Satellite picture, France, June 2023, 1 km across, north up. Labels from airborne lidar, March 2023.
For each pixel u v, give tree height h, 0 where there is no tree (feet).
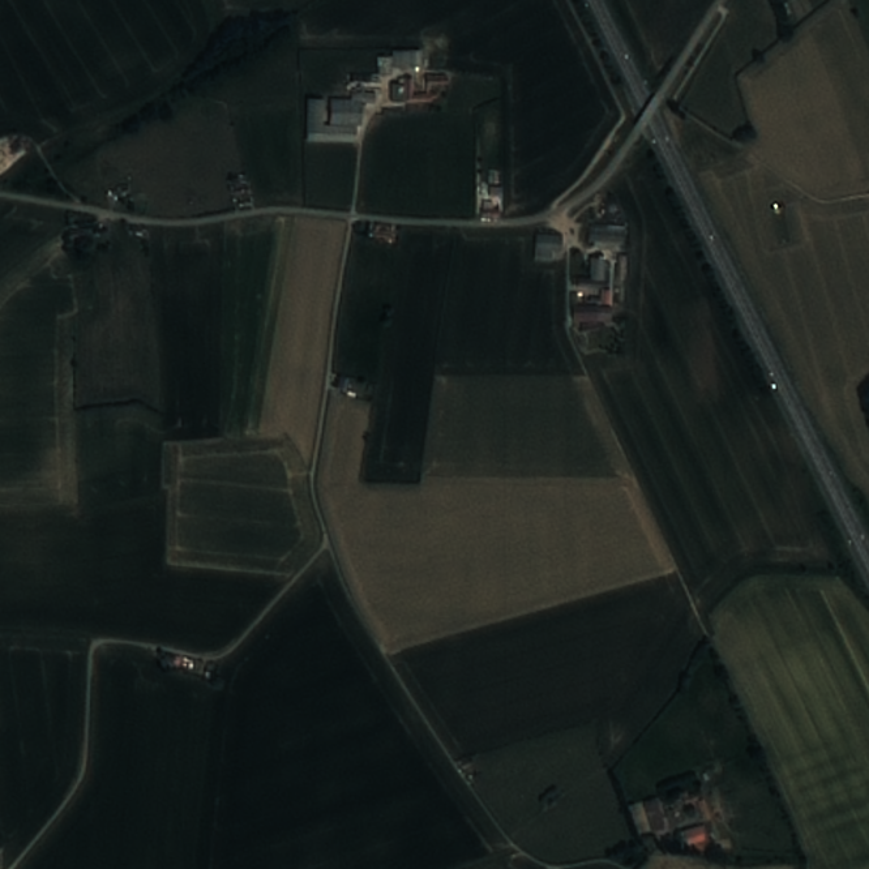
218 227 0
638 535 0
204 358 0
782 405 0
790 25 40
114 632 0
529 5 0
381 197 0
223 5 0
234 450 0
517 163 0
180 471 0
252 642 0
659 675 0
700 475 0
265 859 0
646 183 0
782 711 0
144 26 0
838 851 0
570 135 0
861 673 0
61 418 0
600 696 0
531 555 0
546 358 0
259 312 0
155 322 0
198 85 63
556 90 0
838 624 0
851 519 0
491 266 0
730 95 0
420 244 0
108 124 0
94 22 0
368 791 0
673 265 0
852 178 0
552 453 0
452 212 0
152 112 43
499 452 0
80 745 0
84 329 0
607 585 0
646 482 0
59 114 0
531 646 0
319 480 0
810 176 0
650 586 0
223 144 0
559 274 0
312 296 0
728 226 0
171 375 0
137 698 0
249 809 0
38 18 0
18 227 0
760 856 0
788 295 0
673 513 0
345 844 0
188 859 0
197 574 0
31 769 0
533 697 0
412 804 0
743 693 0
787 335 0
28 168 0
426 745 0
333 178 0
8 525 0
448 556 0
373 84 0
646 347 0
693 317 0
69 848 0
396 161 0
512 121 0
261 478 0
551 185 0
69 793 0
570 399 0
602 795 0
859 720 0
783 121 0
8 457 0
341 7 0
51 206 0
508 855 0
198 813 0
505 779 0
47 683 0
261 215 0
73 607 0
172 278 0
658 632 0
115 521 0
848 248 0
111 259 0
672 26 0
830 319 0
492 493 0
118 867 0
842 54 0
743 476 0
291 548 0
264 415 0
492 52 0
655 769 0
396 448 0
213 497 0
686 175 0
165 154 0
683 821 0
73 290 0
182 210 0
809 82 0
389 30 0
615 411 0
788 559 0
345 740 0
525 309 0
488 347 0
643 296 0
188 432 0
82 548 0
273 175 0
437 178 0
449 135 0
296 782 0
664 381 0
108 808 0
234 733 0
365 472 0
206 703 0
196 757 0
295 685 0
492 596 0
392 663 0
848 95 0
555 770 0
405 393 0
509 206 0
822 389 0
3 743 0
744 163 0
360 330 0
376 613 0
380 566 0
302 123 0
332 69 0
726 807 0
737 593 0
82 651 0
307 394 0
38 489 0
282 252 0
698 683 0
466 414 0
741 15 0
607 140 0
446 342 0
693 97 0
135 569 0
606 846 0
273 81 0
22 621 0
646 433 0
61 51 0
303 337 0
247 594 0
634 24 0
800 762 0
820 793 0
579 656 0
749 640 0
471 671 0
